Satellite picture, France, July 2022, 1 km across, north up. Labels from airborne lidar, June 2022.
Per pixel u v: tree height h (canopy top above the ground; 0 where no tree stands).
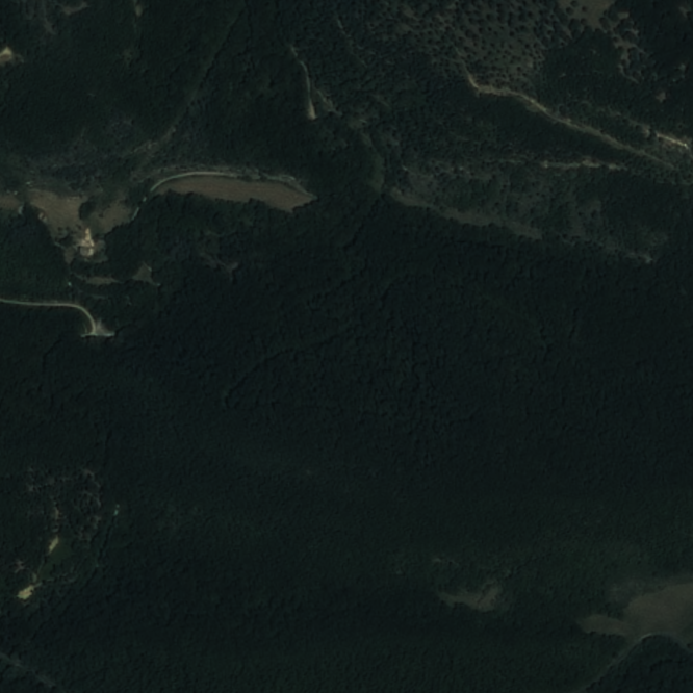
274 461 9
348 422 18
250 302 23
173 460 17
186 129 11
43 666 17
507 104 15
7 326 16
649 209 17
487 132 8
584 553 8
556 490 14
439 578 9
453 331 18
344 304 14
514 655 18
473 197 10
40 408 27
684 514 6
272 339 24
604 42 8
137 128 6
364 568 13
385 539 14
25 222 12
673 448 12
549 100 10
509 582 13
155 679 11
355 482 11
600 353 18
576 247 13
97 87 10
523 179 9
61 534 20
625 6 14
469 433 15
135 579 7
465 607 12
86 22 11
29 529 14
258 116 19
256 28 19
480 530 13
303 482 15
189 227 9
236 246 14
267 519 7
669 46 23
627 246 10
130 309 18
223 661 17
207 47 25
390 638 14
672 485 13
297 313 24
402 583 14
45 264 14
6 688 19
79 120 17
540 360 16
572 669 9
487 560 7
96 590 10
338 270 20
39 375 30
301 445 12
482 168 9
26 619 8
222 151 10
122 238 20
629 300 23
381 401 10
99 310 13
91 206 17
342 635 14
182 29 21
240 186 0
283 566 17
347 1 13
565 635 19
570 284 21
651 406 16
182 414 16
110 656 15
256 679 8
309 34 17
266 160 9
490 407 12
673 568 14
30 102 16
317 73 15
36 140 13
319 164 12
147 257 12
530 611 18
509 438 15
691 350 17
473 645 12
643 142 11
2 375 19
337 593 15
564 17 11
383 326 9
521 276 17
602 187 12
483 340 18
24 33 10
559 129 14
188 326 18
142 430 16
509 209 14
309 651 17
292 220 21
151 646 15
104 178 8
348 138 13
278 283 18
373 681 15
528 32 17
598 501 13
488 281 16
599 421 17
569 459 19
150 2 15
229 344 18
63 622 8
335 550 14
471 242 9
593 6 0
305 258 20
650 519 8
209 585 17
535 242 8
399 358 21
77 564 12
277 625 15
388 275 17
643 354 22
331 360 21
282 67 18
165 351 18
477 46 10
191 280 16
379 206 13
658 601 0
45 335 20
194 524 11
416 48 10
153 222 12
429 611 17
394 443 19
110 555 21
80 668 15
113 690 7
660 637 12
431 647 20
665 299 15
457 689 9
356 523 13
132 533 10
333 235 19
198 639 12
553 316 22
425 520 13
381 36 14
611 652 12
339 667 16
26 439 13
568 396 20
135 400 12
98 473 14
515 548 10
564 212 12
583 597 9
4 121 17
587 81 12
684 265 13
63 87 14
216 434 11
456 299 16
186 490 14
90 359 19
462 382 17
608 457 17
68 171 10
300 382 22
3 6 14
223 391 15
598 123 12
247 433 9
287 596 9
